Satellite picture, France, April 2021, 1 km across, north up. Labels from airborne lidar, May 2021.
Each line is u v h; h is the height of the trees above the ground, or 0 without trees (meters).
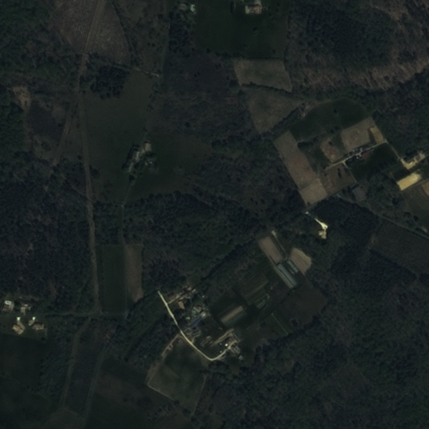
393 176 0
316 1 22
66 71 11
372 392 22
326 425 18
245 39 0
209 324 0
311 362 19
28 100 0
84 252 19
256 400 19
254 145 20
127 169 8
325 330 24
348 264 17
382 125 18
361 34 16
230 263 18
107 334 7
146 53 0
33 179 23
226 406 12
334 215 10
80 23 0
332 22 19
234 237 12
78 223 12
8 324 0
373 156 0
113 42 0
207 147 0
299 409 22
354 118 0
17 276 20
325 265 19
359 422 26
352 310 22
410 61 24
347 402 19
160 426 0
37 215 18
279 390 22
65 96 0
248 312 0
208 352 0
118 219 6
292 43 11
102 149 0
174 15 15
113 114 0
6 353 0
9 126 24
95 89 11
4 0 21
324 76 14
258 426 24
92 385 0
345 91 22
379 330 17
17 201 21
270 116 0
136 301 0
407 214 9
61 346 10
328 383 17
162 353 13
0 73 18
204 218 8
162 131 0
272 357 23
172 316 0
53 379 6
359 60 15
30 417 0
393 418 20
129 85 0
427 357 18
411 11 21
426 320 17
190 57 11
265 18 0
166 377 0
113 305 0
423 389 18
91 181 0
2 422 0
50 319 12
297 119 8
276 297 0
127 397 0
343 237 19
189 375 0
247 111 9
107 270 0
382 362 19
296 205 15
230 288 13
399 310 12
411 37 20
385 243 6
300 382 23
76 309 7
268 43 0
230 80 10
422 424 17
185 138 0
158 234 14
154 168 20
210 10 0
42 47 17
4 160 20
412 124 15
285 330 0
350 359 18
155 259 10
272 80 0
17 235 19
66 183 7
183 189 0
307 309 0
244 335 0
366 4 14
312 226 16
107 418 0
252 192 8
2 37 17
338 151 0
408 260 6
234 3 8
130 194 0
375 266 18
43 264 19
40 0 28
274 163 12
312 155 0
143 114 0
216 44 0
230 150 21
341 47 18
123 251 0
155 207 14
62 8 0
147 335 11
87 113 0
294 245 9
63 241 24
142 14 0
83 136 0
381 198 22
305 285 0
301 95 10
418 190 0
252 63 0
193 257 20
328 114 0
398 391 25
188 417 16
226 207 10
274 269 0
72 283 19
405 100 23
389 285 18
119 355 12
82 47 0
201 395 0
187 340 0
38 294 17
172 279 13
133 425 0
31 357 0
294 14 10
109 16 0
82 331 0
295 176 0
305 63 13
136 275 0
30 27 16
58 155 0
